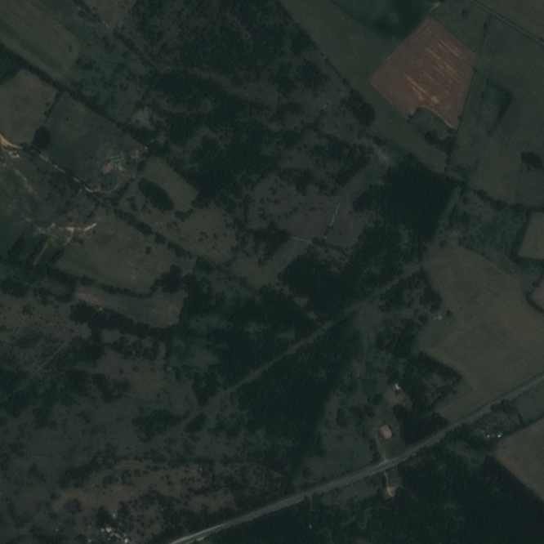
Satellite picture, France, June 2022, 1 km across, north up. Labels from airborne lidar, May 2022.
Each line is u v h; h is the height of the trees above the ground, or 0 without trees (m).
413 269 0
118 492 0
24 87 0
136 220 7
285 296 10
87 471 8
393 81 0
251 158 10
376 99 0
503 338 0
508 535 13
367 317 0
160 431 6
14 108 0
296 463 8
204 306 7
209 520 6
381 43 0
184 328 6
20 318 0
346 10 0
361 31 0
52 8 0
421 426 12
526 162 11
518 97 0
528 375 0
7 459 6
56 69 0
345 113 6
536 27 0
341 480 0
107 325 7
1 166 0
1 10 0
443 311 0
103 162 0
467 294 0
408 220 10
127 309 0
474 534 8
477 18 0
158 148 10
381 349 10
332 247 6
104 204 6
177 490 0
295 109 9
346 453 0
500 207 12
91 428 0
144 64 7
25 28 0
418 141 0
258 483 8
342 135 0
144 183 9
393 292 6
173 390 0
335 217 0
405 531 8
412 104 0
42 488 0
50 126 0
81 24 0
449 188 13
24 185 0
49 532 0
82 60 8
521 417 10
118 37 8
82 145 0
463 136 0
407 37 0
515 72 0
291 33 6
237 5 8
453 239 0
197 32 9
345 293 13
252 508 8
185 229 0
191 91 8
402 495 9
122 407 0
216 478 8
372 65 0
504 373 0
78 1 10
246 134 6
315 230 0
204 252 0
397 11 0
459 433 14
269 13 8
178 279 11
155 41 6
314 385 9
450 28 0
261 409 7
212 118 8
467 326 0
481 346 0
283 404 8
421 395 8
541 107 0
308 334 7
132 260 0
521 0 0
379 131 0
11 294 6
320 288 11
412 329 8
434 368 8
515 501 11
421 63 0
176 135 8
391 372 9
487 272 0
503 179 0
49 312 0
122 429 0
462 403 0
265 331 8
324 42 0
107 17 0
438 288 0
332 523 7
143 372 0
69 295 9
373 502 7
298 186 9
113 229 0
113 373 0
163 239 9
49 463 0
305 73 9
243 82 7
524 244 0
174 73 8
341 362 8
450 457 9
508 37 0
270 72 7
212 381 8
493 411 14
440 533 8
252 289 0
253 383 9
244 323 7
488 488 11
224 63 6
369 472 0
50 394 6
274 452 6
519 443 0
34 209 0
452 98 0
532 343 0
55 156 0
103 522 6
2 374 9
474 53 0
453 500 10
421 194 12
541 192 0
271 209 0
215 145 9
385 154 0
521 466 0
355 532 8
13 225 0
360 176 0
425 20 0
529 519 13
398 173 7
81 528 0
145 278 0
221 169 8
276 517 10
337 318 7
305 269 7
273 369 8
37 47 0
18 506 0
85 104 6
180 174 8
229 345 9
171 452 7
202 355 0
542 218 0
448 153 7
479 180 0
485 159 0
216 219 0
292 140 8
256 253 5
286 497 8
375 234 8
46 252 0
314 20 0
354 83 0
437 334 0
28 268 10
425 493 11
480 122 0
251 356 9
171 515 6
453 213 6
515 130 0
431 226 12
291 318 6
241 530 10
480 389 0
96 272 0
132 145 0
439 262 0
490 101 0
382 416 0
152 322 0
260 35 9
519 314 0
